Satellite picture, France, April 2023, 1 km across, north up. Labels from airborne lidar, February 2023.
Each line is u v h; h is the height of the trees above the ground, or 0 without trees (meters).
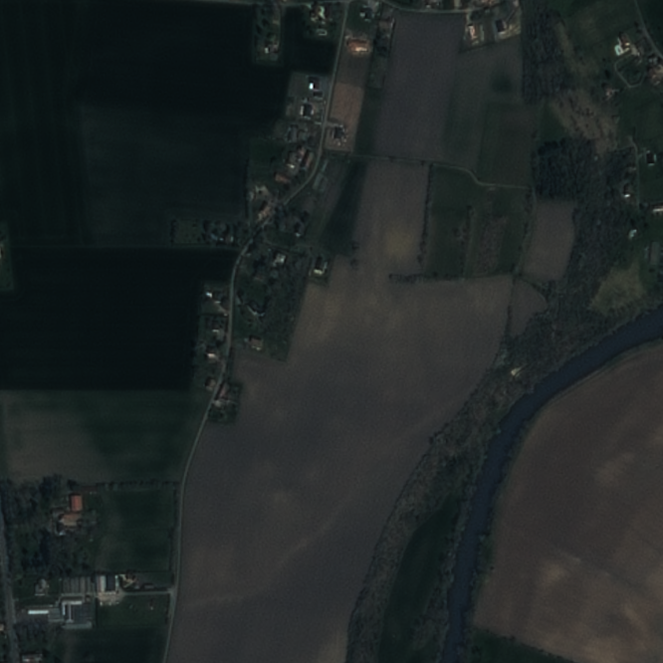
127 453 0
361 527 0
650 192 0
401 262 0
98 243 0
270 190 0
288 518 0
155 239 0
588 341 16
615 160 16
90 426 0
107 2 0
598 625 0
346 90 0
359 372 0
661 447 0
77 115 0
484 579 17
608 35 0
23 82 0
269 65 0
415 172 0
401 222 0
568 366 0
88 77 0
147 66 0
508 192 0
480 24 0
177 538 15
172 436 0
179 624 0
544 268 0
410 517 17
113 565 0
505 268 0
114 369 0
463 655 18
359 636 14
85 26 0
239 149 0
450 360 0
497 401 24
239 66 0
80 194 0
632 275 0
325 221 0
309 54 0
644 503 0
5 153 0
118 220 0
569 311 9
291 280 16
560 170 18
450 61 0
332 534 0
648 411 0
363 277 0
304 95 0
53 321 0
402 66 0
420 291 0
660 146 0
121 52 0
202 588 0
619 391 0
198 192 0
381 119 0
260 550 0
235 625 0
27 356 0
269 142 0
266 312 13
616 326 19
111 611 0
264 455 0
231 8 0
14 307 0
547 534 0
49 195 0
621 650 0
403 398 0
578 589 0
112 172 0
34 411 0
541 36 16
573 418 0
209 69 0
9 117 0
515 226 0
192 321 0
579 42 0
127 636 0
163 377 0
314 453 0
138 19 0
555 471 0
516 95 0
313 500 0
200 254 0
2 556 0
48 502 18
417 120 0
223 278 0
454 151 0
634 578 0
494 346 0
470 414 16
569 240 0
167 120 0
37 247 0
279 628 0
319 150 0
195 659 0
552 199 15
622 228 21
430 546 0
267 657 0
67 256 0
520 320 0
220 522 0
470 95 0
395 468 0
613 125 0
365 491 0
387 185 0
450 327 0
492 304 0
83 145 0
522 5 14
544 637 0
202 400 0
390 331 0
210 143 0
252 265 0
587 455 0
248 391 0
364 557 0
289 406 0
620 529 0
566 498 0
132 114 0
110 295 0
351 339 0
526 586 0
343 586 0
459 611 0
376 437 0
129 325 0
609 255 17
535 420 0
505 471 15
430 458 14
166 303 0
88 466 0
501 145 0
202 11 0
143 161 0
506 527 0
